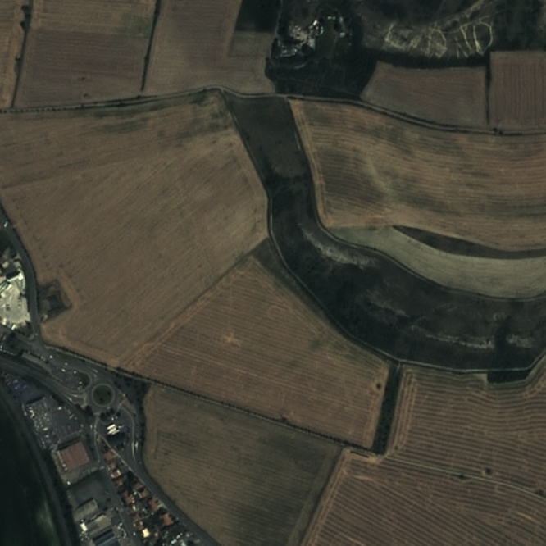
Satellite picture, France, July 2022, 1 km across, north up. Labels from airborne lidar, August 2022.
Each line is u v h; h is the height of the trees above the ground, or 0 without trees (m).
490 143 0
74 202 0
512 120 0
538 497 0
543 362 0
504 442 0
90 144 0
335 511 0
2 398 0
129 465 0
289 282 0
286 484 0
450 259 0
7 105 0
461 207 0
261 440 0
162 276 0
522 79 0
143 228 0
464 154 0
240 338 0
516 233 0
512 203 0
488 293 0
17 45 0
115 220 0
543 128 0
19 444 0
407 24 0
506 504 0
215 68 0
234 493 0
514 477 0
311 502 0
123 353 0
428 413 0
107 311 0
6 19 0
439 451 0
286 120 0
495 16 0
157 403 0
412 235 0
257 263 0
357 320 7
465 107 0
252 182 0
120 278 0
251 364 0
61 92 0
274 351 0
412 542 0
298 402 0
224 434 0
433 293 0
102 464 0
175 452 0
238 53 0
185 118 0
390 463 0
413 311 0
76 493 0
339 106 0
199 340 0
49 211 0
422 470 0
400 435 0
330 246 0
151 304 0
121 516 0
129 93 0
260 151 0
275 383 0
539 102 0
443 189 0
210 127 0
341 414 0
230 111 0
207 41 0
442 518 0
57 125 0
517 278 0
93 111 0
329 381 0
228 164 0
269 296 0
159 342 0
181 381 0
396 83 0
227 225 0
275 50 11
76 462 0
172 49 0
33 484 0
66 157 0
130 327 0
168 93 0
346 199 0
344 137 0
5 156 0
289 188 0
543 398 0
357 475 0
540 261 0
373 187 0
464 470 0
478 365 0
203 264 0
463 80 0
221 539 0
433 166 0
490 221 0
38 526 0
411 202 0
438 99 0
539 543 0
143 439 8
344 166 0
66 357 0
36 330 0
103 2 0
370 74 6
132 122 0
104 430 0
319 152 0
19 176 0
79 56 0
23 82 0
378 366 0
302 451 0
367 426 0
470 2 0
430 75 0
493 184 0
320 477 0
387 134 0
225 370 0
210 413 0
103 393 0
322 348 0
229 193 0
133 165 0
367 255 0
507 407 0
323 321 0
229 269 0
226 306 0
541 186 0
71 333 0
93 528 0
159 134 0
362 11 0
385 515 0
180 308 0
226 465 0
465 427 0
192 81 0
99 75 0
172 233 0
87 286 0
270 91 0
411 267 0
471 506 0
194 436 0
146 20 0
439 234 0
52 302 0
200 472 0
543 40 0
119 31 0
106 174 0
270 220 0
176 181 0
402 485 0
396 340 0
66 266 0
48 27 0
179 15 0
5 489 0
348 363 0
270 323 0
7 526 0
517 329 0
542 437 0
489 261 0
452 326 0
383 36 0
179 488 0
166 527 6
